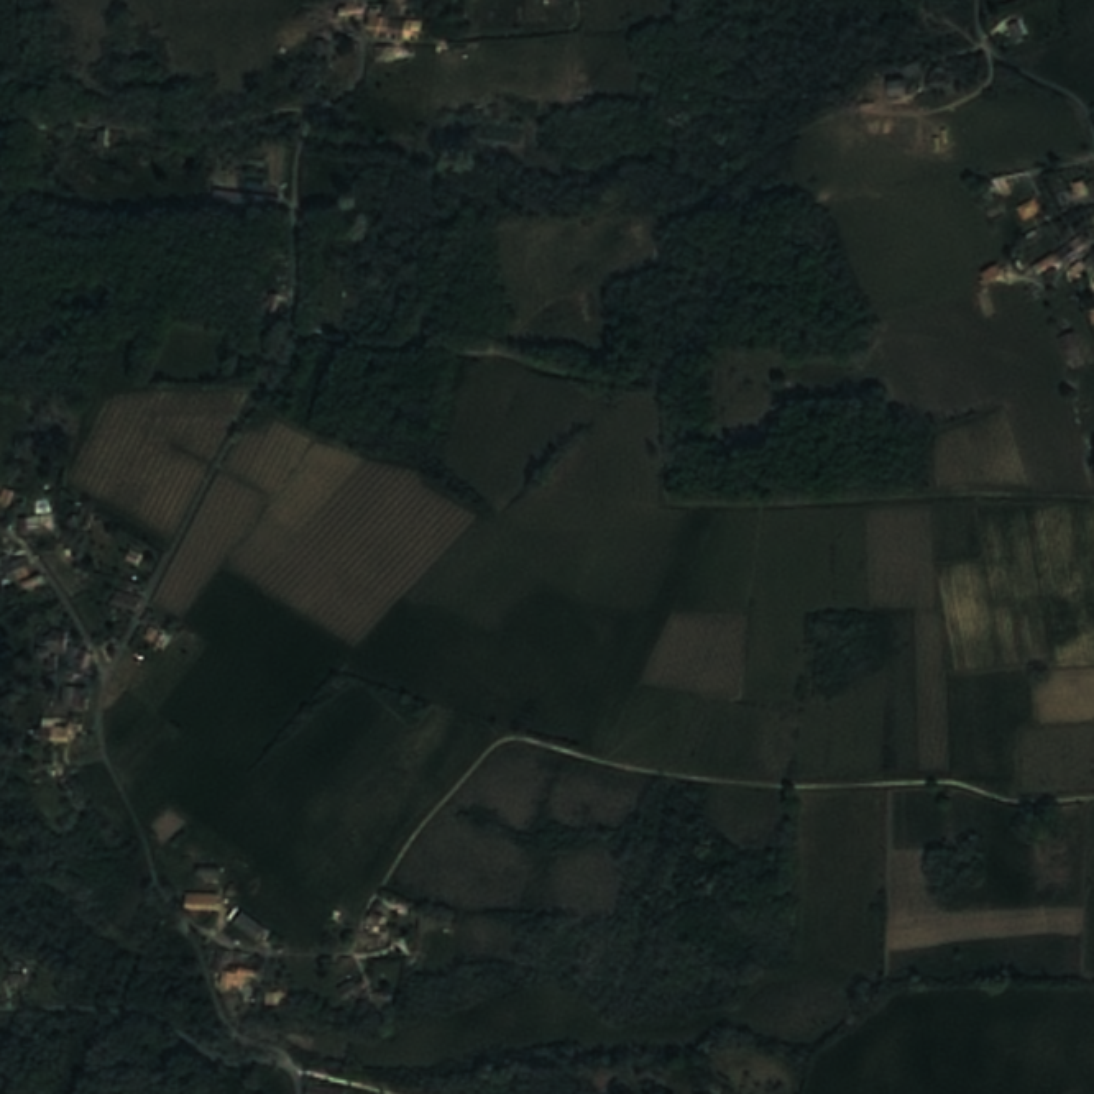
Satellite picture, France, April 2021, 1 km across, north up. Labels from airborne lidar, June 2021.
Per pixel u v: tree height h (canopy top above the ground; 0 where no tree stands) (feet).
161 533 0
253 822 0
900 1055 0
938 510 0
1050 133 0
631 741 0
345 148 28
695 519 0
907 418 65
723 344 55
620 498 0
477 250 44
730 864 45
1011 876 0
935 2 57
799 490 70
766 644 0
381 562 0
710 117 76
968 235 0
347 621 0
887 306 0
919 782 0
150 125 75
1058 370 0
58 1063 64
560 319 0
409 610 0
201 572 0
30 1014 53
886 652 0
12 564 0
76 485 0
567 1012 0
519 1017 0
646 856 62
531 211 37
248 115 62
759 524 0
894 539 0
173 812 0
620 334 64
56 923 43
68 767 27
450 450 0
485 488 0
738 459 75
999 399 0
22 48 23
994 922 0
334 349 45
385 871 0
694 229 66
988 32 24
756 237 74
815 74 51
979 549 0
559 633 0
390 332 43
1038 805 24
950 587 0
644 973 46
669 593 0
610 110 39
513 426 0
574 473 0
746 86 70
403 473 0
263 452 0
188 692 0
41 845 64
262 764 0
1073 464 0
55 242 64
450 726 0
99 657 0
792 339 70
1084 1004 0
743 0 52
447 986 50
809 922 0
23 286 45
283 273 18
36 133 75
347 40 33
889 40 21
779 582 0
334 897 0
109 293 50
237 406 0
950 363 0
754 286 55
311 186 0
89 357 73
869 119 0
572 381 28
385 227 26
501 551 0
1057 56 0
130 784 0
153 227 68
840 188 0
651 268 37
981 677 0
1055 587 0
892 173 0
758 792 0
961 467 0
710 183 62
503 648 0
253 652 0
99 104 40
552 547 0
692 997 56
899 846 0
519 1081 45
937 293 0
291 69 69
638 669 0
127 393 0
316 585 0
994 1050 0
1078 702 0
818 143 0
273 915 0
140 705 0
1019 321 0
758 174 51
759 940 26
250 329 55
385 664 0
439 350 52
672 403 61
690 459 61
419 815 0
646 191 72
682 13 57
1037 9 0
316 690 21
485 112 40
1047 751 0
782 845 46
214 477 0
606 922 43
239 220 72
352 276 21
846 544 0
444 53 0
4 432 0
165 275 60
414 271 48
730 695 0
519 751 0
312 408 30
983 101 0
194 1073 44
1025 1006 0
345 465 0
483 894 0
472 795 0
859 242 0
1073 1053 0
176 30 0
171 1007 59
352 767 0
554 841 19
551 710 0
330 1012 39
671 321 58
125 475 0
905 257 0
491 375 0
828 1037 29
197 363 0
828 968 0
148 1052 67
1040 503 0
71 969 66
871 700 0
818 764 0
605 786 0
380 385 64
